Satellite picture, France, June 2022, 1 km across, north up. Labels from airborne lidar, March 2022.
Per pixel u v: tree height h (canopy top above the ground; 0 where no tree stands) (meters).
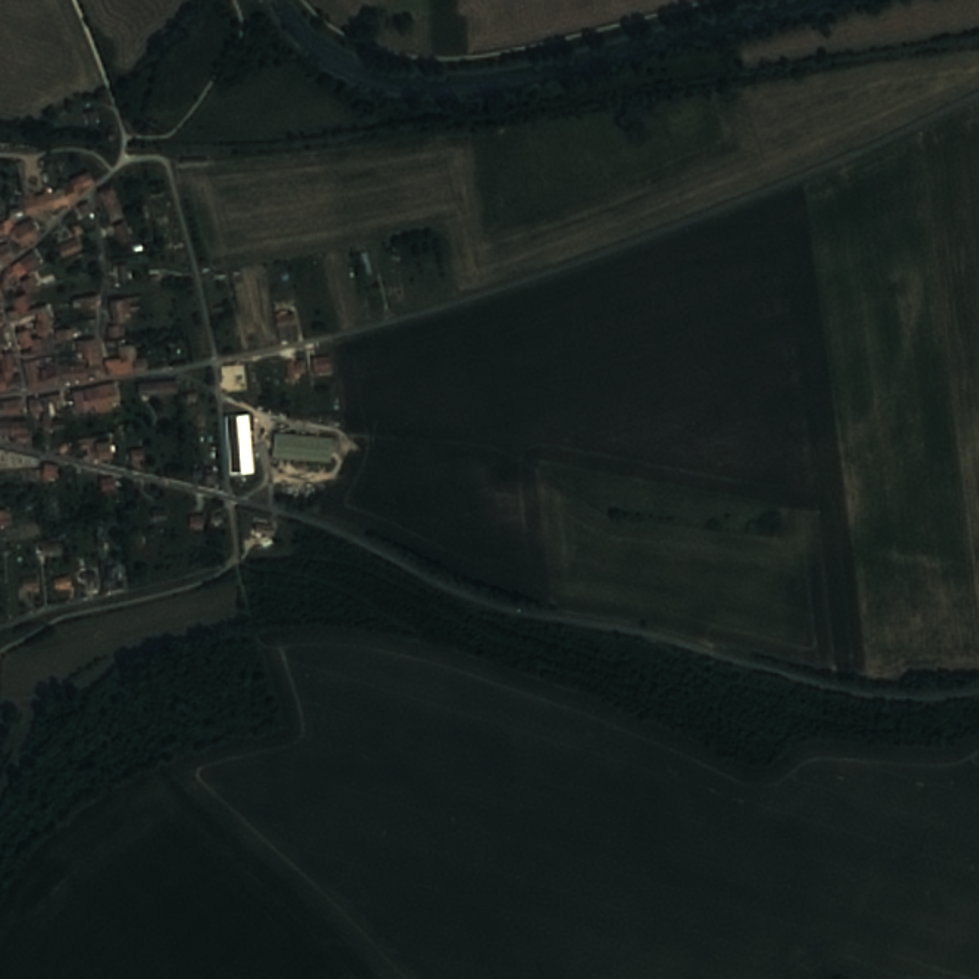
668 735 0
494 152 0
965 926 0
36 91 0
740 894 0
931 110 0
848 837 0
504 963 0
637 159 0
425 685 0
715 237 0
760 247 0
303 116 0
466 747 0
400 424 0
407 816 0
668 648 0
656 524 0
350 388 0
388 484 0
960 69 0
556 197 0
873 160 0
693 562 0
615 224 0
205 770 0
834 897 0
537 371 0
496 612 0
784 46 0
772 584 0
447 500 0
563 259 0
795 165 0
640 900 0
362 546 0
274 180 0
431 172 0
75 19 0
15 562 0
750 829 0
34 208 0
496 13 0
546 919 0
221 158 0
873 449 0
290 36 0
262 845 0
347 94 14
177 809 0
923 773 0
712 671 10
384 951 0
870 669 0
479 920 0
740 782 0
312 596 0
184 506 0
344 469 0
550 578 0
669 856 0
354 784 0
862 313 0
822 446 0
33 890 0
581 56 0
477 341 0
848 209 0
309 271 0
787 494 0
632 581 0
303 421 0
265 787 0
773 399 0
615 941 0
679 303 0
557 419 0
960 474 0
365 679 0
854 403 0
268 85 0
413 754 0
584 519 0
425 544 0
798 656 0
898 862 0
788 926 0
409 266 0
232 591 0
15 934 0
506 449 0
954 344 0
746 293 0
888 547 0
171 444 0
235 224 0
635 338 0
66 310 0
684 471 0
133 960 0
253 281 0
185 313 0
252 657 7
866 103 0
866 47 0
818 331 0
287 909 0
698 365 0
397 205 0
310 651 0
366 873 0
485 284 0
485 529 0
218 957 0
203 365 0
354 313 0
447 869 0
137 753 10
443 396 0
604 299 0
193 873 0
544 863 0
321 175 0
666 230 0
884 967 0
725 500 0
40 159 0
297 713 0
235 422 0
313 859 0
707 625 0
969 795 0
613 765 0
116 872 0
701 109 0
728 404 0
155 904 0
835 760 0
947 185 0
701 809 0
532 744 0
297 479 0
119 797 0
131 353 0
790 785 0
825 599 0
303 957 0
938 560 0
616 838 0
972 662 0
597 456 0
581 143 0
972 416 0
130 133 0
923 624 0
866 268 0
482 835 0
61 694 21
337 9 0
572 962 0
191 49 0
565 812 0
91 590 0
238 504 0
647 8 0
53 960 0
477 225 0
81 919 0
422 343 0
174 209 0
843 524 0
